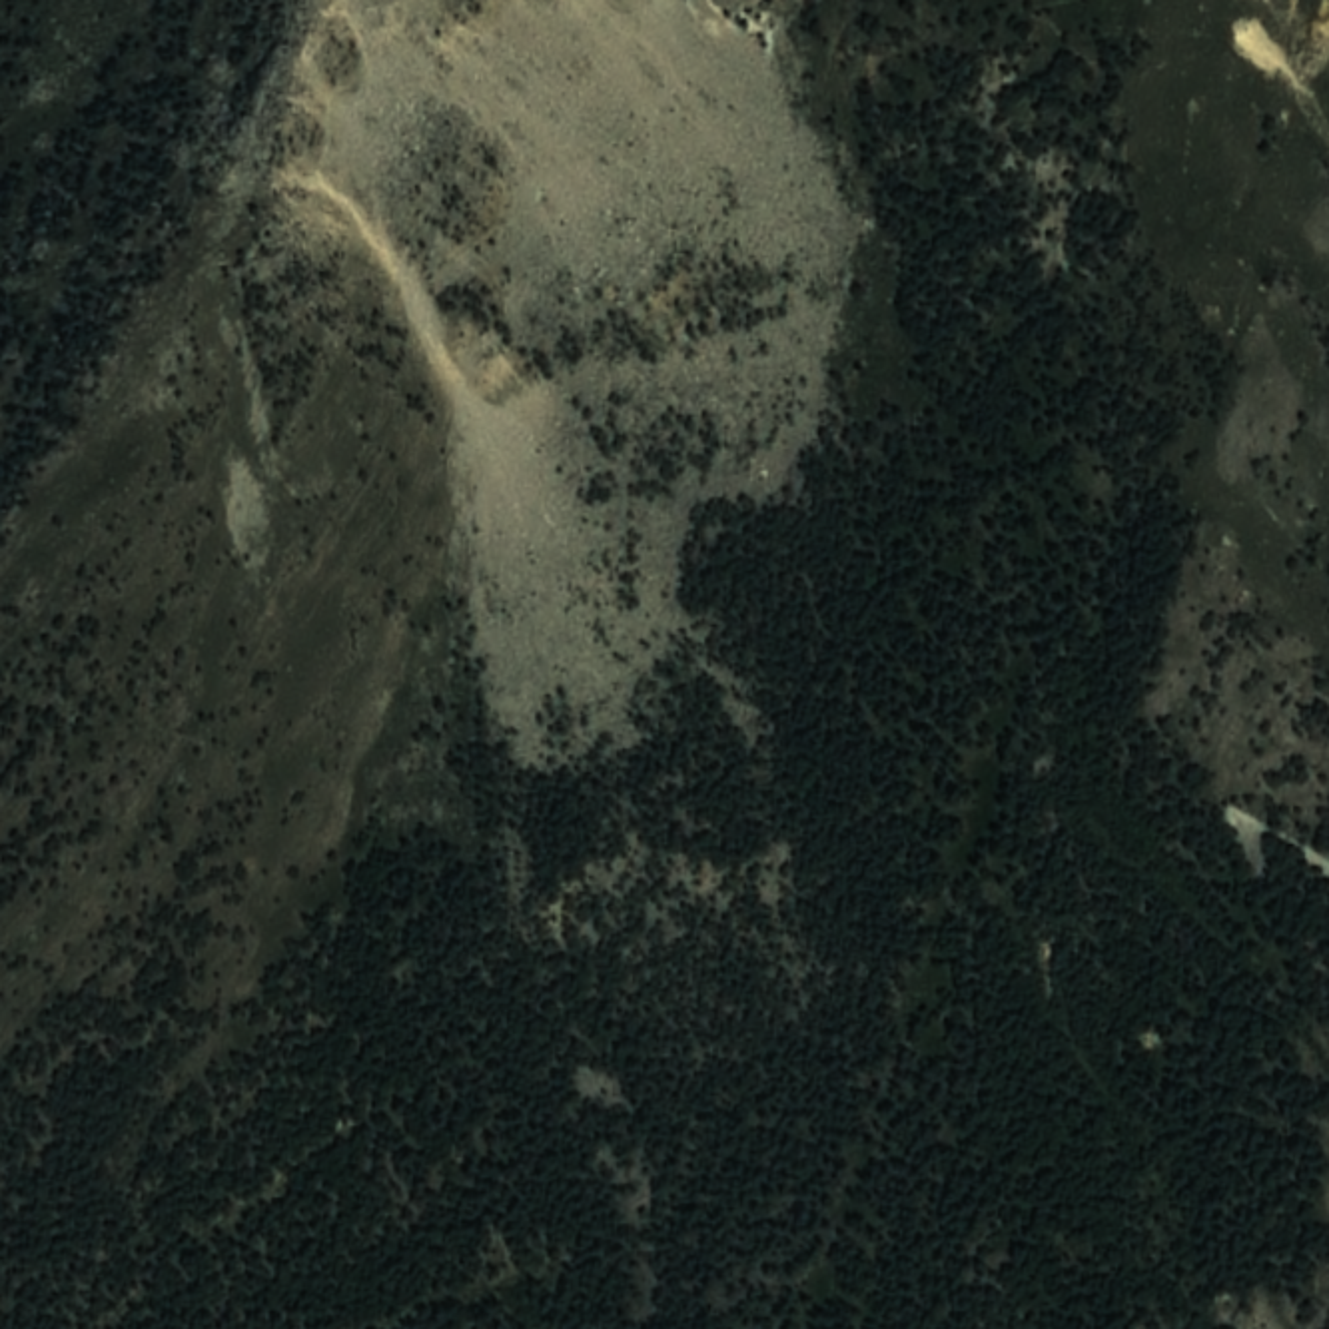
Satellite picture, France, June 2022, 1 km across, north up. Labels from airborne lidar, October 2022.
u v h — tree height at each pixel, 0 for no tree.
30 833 12
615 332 8
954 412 14
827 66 0
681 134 0
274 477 0
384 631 0
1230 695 0
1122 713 18
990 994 10
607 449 12
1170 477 7
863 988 12
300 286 10
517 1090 18
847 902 19
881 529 18
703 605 12
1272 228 0
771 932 13
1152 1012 22
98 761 8
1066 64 12
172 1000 8
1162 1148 20
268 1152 16
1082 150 22
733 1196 15
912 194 18
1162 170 0
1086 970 18
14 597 0
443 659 0
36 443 10
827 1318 23
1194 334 6
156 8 6
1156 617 16
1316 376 0
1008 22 8
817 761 16
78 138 7
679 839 18
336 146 0
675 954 11
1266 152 20
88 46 0
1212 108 0
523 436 0
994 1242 6
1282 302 0
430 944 24
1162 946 28
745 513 8
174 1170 21
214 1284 27
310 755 0
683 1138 17
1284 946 29
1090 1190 16
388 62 0
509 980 18
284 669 0
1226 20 0
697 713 12
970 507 18
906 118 15
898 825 23
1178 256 0
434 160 7
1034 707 21
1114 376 12
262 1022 20
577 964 20
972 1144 17
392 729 0
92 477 0
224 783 0
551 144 0
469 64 0
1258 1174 26
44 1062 10
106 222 8
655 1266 16
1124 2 0
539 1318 8
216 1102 9
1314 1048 7
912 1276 25
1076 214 12
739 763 15
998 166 13
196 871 10
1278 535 0
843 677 20
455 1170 8
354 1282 17
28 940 0
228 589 0
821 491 14
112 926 11
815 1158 18
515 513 0
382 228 0
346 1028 17
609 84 0
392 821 0
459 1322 18
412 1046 26
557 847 21
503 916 8
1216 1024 27
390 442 0
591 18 0
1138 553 22
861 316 0
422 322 0
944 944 20
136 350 0
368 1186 25
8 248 7
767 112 0
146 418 0
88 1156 17
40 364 11
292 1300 12
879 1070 14
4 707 13
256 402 0
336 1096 15
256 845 0
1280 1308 0
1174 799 26
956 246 17
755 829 15
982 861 20
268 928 0
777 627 13
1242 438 0
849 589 18
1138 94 0
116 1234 22
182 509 0
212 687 0
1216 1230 11
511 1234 22
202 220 0
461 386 0
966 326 19
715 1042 21
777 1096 25
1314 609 0
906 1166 21
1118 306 6
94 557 0
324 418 0
